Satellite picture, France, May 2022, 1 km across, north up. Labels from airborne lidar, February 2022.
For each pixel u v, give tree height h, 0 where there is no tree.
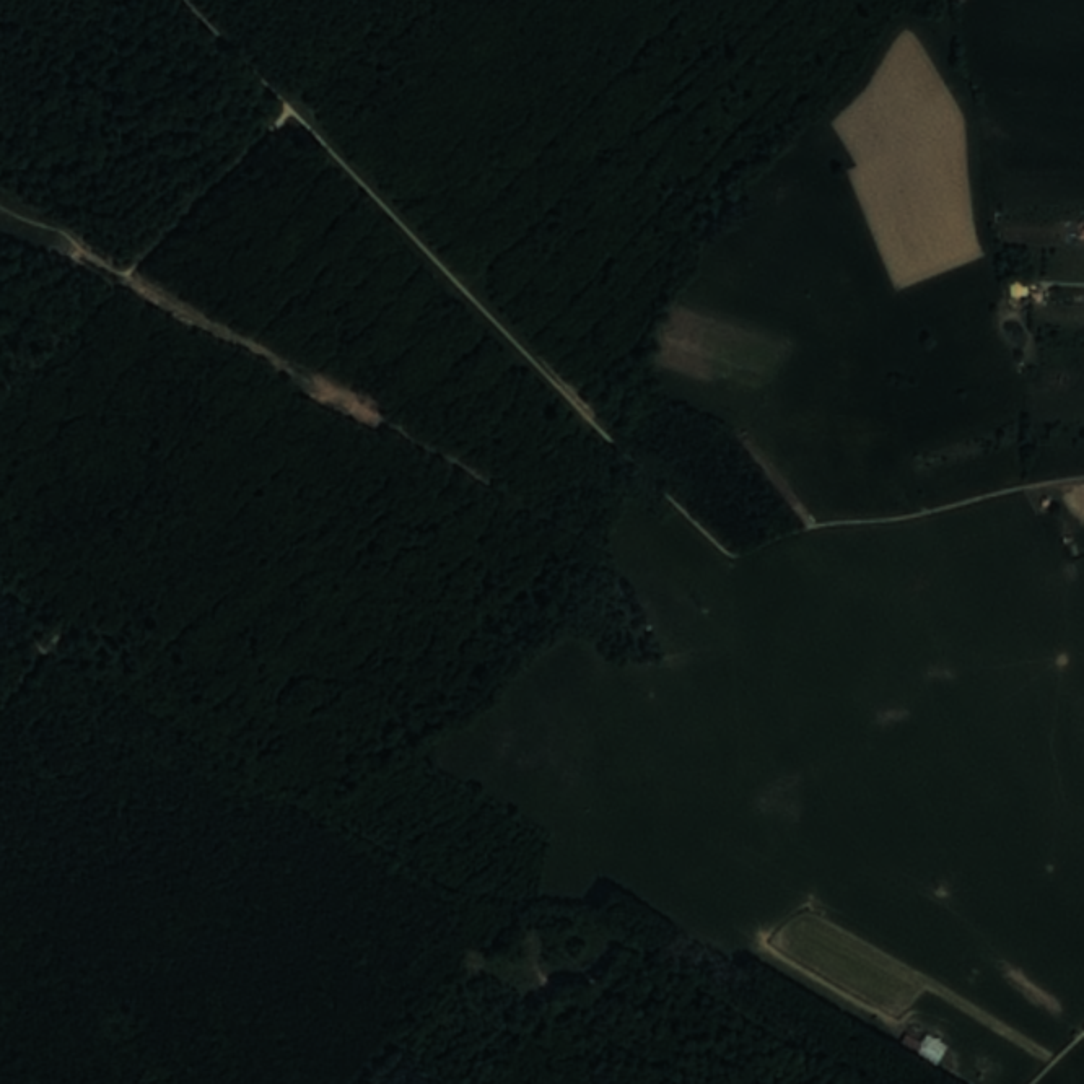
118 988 16
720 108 13
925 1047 0
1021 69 0
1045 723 0
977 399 0
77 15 24
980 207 0
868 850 0
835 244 0
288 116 0
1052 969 0
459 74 15
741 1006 17
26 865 14
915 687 0
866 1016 0
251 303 11
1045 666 0
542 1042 22
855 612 0
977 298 0
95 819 11
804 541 0
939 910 0
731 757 0
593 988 20
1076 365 0
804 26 15
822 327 0
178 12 26
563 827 0
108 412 10
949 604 0
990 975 0
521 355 0
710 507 17
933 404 0
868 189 0
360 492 13
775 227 0
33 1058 13
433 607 9
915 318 0
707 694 0
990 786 0
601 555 16
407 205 12
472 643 12
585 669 0
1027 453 10
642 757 0
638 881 0
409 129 17
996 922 0
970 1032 0
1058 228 0
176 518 14
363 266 16
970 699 0
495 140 17
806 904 0
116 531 17
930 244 0
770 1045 22
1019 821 0
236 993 15
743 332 0
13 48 22
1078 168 0
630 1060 18
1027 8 0
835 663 0
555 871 0
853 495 0
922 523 0
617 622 16
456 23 15
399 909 14
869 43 12
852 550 0
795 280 0
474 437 12
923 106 0
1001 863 0
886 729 0
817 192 0
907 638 0
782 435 0
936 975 0
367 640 14
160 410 12
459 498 14
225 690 16
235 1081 15
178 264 11
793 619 0
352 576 18
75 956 15
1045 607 0
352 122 16
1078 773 0
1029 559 0
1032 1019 0
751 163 15
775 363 0
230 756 19
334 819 8
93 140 29
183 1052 12
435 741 11
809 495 0
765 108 13
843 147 0
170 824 18
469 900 11
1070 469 0
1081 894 0
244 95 26
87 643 27
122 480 14
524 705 0
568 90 16
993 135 0
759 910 0
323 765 16
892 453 0
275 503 11
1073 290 0
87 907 17
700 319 0
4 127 27
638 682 0
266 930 15
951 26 0
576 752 0
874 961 0
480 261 14
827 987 0
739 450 15
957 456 0
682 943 14
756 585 0
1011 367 0
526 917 19
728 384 0
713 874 0
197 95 29
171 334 12
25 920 15
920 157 0
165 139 18
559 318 11
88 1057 14
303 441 13
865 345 0
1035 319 6
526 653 23
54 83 28
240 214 14
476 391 10
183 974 16
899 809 0
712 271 0
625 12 14
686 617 0
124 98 30
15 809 16
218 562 15
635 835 0
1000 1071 0
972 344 0
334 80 17
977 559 0
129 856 16
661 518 15
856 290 0
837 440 0
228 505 11
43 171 33
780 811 0
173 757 12
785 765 0
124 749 10
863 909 0
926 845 0
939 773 0
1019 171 0
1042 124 0
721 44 10
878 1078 19
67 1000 15
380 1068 28
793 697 0
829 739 0
